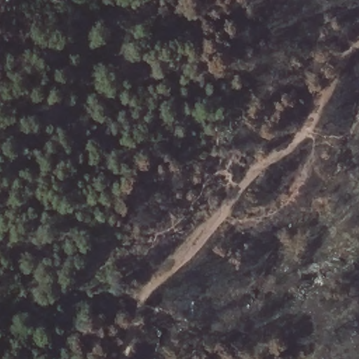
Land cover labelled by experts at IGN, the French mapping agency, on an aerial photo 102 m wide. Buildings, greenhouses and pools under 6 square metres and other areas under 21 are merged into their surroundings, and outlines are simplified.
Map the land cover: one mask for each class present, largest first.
<instances>
[{"label":"coniferous trees","instance_id":"1","mask_svg":"<svg viewBox=\"0 0 359 359\"><path fill-rule=\"evenodd\" d=\"M259 0H0V359H282L279 353L285 351L283 345L286 337L278 330L257 331L252 337L237 335L226 341L220 338L203 339L196 351L182 352L181 341L178 338H170L172 325L177 324V320L170 314L154 313V307L160 306L163 302V294L156 290L151 292L144 302L133 299V294L136 290L142 292L143 286L160 271L163 261L174 254L179 245L185 243L194 231L191 227L192 220L199 212V208L195 203L194 206H189L187 195L201 192L202 185L195 184L194 177L201 178L205 172L223 175V171H230L234 181L240 182L255 161L269 156L273 150L285 149L287 144L292 142L293 137L303 128L307 116L314 111V102L320 98L324 88L330 86L332 80H339L338 74L334 73L335 62L331 53V41L332 36L342 38L346 35V25H338L337 18L331 15H324L323 20L313 22L310 25L313 36L310 52L304 53L297 43L273 39L269 29L259 28L261 22L275 15L278 7H258ZM310 237V230H306V233L296 234L290 238L286 233L279 231V241L285 247L282 250L283 255L293 261H300L299 254L306 248Z\"/></svg>","mask_w":359,"mask_h":359},{"label":"bare soil","instance_id":"2","mask_svg":"<svg viewBox=\"0 0 359 359\"><path fill-rule=\"evenodd\" d=\"M278 7L275 15L261 22L259 28L269 29L273 39L297 43L304 53L310 52L313 36L310 25L313 22L323 20L324 15H331L337 18L338 25H346V35L342 38L332 36L331 41V53L335 62L334 73L338 74L339 80L313 130L316 137H307L292 153L268 165L261 175L255 177L244 189L240 199L234 203L230 215L217 227L201 250L196 252L194 258L189 259L187 264L181 266L156 290L163 294V302L160 306L154 307V313L170 314L177 320V324L172 325L170 338H178L181 341L182 352L196 351L203 339L220 338L226 341L237 335L252 337L257 331L278 330L286 337L283 345L285 351L279 353L282 359H359V0H259L258 7ZM306 230H310V237L306 248L299 254L300 261H293L283 255L282 250L285 247L279 241V231L286 233L290 238L296 234L306 233ZM195 184L202 185L201 192L187 195L189 206H194L195 203L199 208V212L192 220L191 227L194 231L222 208L224 201L234 198L240 188V182L234 181L230 171H223V175L205 172L201 178L194 177Z\"/></svg>","mask_w":359,"mask_h":359},{"label":"pervious surface","instance_id":"3","mask_svg":"<svg viewBox=\"0 0 359 359\"><path fill-rule=\"evenodd\" d=\"M339 80H332L330 86L324 88L320 98L314 102V111L307 116L303 128L293 137L292 142L287 144L285 149L273 150L269 156L255 161L240 182V188L234 198L224 201L222 208L194 231L185 243L179 245L174 254L163 261L160 271L143 286L142 292L136 290L133 294V299L144 302L151 292L156 290L181 266L187 264L189 259L194 258L196 252L201 250L217 227L230 215L234 203L240 199L244 189L255 177L261 175L268 165L292 153L307 137H316L313 130Z\"/></svg>","mask_w":359,"mask_h":359}]
</instances>
